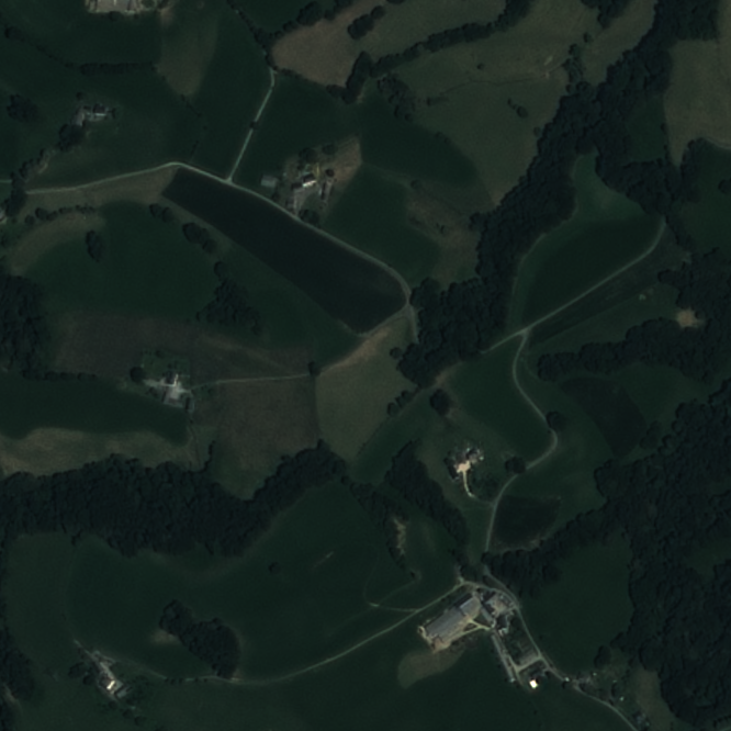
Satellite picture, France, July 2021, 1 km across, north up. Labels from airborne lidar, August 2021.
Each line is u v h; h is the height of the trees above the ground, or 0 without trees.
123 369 0
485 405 0
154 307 0
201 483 27
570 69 20
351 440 0
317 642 0
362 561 0
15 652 9
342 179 0
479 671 0
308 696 0
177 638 26
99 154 0
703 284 25
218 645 26
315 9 22
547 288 0
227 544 23
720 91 0
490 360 0
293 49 0
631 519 17
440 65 0
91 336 0
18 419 0
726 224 0
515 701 0
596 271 0
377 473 0
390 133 0
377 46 0
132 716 11
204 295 0
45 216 17
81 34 0
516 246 25
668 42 25
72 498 33
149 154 0
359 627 0
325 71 0
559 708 0
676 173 27
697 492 24
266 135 0
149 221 0
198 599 0
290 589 0
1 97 0
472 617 0
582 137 24
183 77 0
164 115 0
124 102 0
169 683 9
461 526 21
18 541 16
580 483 0
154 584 0
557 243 0
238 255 0
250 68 0
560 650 0
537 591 11
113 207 0
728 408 32
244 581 0
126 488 9
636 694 0
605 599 0
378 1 0
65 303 0
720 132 0
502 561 26
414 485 23
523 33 0
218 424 0
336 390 0
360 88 18
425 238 0
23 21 0
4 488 17
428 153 0
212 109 0
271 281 0
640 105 24
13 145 0
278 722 0
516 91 0
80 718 0
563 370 16
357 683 0
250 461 0
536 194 31
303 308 0
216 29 0
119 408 0
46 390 0
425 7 0
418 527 0
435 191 0
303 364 0
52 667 0
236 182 0
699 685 20
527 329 0
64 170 0
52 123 0
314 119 0
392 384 0
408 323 0
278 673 0
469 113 0
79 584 0
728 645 22
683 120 0
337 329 0
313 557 0
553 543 16
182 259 0
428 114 0
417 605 0
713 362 24
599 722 0
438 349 21
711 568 0
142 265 0
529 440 0
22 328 22
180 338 0
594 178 0
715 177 0
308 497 0
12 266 0
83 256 0
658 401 0
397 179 0
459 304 34
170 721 0
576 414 0
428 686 0
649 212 16
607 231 0
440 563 0
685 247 19
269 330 0
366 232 0
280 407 0
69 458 0
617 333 0
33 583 0
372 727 0
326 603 0
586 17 0
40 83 0
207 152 0
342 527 0
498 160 0
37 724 0
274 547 0
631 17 0
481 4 0
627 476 18
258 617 0
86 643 0
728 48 0
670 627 22
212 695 0
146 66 7
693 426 31
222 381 0
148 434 0
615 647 13
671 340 31
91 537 13
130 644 0
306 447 0
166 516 29
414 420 0
